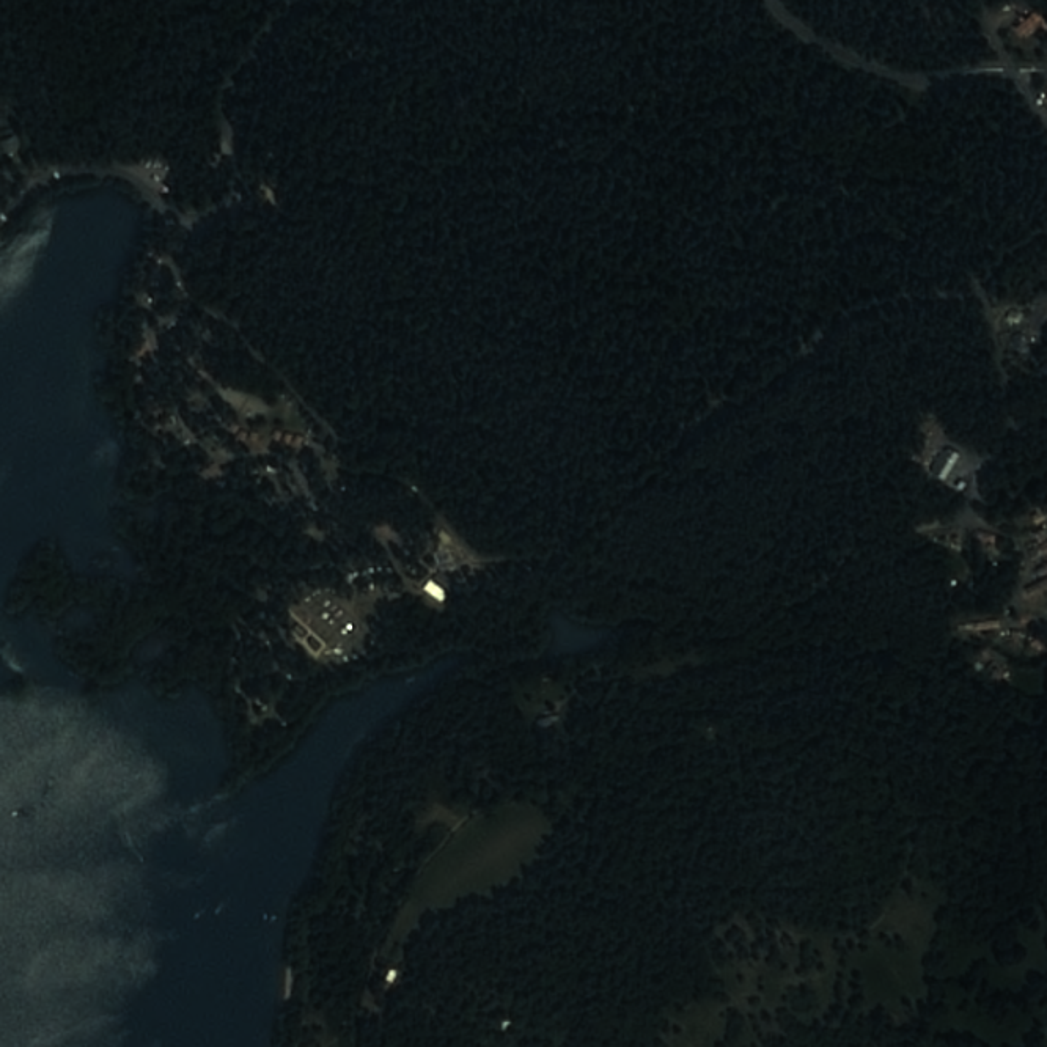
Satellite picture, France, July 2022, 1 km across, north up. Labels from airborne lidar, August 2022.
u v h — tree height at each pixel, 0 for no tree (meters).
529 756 12
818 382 24
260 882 0
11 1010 0
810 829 15
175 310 8
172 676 16
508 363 24
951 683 28
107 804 0
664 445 26
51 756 0
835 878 6
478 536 21
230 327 12
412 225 28
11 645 0
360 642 0
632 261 31
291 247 26
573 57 29
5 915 0
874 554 19
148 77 25
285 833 0
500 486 11
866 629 21
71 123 13
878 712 22
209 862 0
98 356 0
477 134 13
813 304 12
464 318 32
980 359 24
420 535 27
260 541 20
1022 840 28
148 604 15
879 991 0
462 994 13
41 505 0
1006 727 17
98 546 0
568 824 13
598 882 21
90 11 15
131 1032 0
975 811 11
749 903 7
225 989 0
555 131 23
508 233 27
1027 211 27
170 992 0
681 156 11
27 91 18
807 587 11
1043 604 0
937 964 23
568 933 14
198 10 26
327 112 30
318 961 7
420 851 13
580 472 29
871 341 26
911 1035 8
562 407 32
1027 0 8
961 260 23
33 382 0
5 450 0
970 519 0
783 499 27
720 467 22
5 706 0
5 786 0
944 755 22
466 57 30
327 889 16
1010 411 18
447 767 7
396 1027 15
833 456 26
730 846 16
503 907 17
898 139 11
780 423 18
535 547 21
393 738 23
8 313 0
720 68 23
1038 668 13
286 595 24
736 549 25
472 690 20
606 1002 12
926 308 21
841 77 27
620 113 17
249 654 22
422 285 25
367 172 27
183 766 0
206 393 7
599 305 31
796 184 33
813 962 10
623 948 18
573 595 27
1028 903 16
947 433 14
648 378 29
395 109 30
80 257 0
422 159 22
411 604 6
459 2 28
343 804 17
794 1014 6
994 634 7
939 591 18
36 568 17
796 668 19
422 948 17
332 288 32
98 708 0
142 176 0
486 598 23
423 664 10
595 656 19
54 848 0
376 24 26
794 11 21
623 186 29
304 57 29
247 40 21
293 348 21
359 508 26
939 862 13
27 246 0
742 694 10
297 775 0
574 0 27
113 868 0
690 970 16
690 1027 0
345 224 30
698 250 24
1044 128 16
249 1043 0
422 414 29
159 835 0
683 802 9
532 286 35
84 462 0
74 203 0
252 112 30
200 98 24
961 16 27
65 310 0
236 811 0
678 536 27
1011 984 0
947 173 12
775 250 13
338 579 24
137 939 0
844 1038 7
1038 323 0
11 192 19
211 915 0
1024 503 13
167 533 15
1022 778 25
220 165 26
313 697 14
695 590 14
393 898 9
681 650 7
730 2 31
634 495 23
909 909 0
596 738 13
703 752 9
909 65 15
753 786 9
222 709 16
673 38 26
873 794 9
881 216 23
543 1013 10
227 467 6
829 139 14
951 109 26
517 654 17
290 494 18
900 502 19
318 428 29
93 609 6
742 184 9
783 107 9
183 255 13
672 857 8
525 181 26
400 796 10
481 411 26
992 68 0
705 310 18
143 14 15
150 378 27
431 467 20
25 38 21
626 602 24
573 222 29
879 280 9
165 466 19
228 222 26
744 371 31
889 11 28
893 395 24
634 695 14
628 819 11
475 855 0
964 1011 9
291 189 27
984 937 16
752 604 15
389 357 34
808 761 8
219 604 8
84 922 0
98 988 0
